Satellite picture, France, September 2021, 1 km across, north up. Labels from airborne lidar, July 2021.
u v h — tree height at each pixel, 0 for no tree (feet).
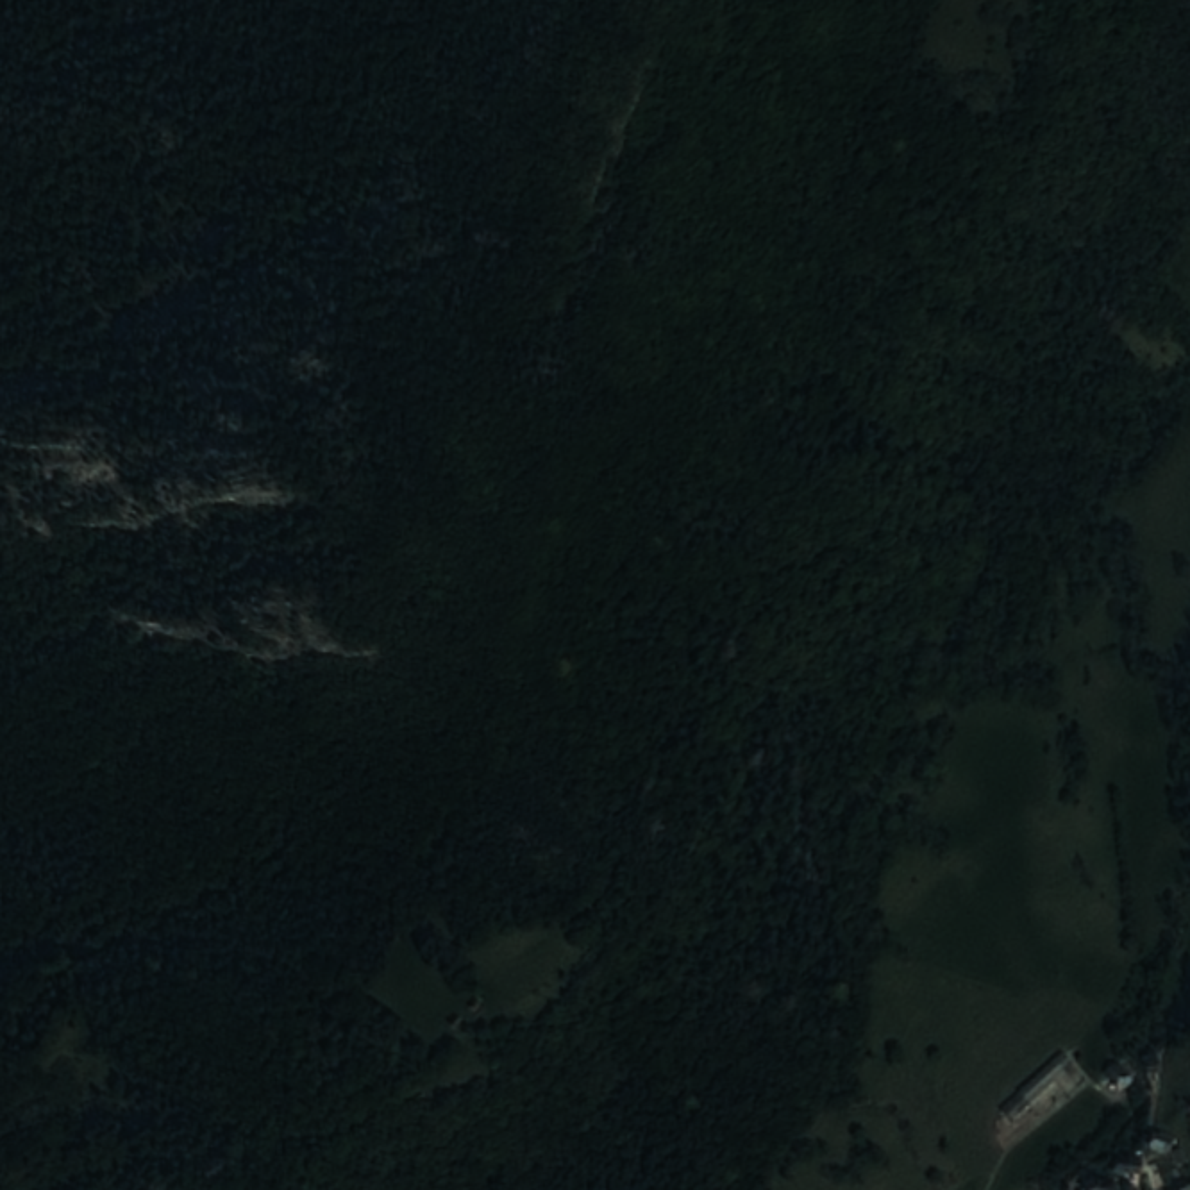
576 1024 49
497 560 49
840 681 65
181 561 33
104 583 52
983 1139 0
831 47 56
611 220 47
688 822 90
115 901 99
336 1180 51
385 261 54
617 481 85
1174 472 0
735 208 68
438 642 48
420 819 102
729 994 69
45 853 97
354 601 43
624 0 45
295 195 65
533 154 49
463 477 47
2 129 31
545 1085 79
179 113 44
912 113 57
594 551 81
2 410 29
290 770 91
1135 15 61
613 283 53
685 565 80
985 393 57
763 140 74
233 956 80
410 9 59
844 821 27
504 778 63
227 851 108
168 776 91
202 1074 88
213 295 44
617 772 74
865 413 59
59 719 71
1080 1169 43
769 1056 67
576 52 42
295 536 57
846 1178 72
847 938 65
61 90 24
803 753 98
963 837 0
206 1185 74
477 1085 36
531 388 57
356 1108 71
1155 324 27
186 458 32
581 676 78
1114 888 0
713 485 75
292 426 62
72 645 71
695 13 57
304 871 96
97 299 47
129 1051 98
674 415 65
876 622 73
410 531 38
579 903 76
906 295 95
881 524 46
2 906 89
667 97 52
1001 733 0
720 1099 81
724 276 58
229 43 38
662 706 91
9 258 45
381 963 64
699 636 89
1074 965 0
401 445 72
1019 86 31
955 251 44
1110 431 74
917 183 83
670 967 74
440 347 49
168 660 68
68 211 56
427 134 66
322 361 28
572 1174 95
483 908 60
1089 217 57
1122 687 0
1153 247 73
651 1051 78
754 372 96
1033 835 0
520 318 52
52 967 95
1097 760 0
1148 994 24
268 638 29
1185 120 51
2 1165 55
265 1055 93
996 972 0
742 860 61
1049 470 71
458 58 50
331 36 64
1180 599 0
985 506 81
